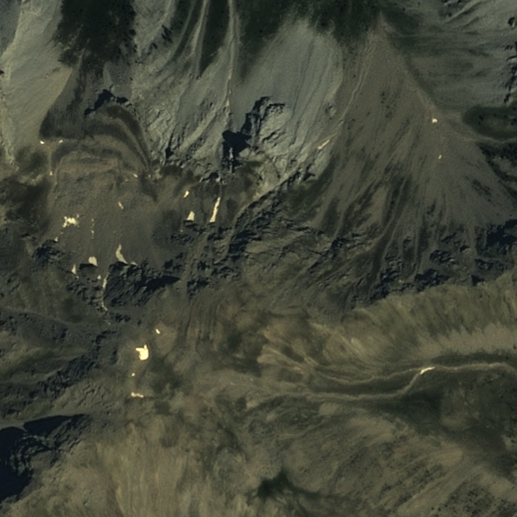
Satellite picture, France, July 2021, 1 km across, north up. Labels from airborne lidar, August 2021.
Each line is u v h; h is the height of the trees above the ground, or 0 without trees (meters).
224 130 0
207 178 0
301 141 0
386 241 0
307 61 0
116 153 0
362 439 0
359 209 0
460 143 0
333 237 0
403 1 0
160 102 0
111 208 0
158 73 0
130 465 0
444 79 0
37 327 0
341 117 0
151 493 0
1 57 0
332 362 0
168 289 0
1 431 0
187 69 0
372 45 0
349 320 0
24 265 0
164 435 0
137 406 0
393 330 0
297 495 0
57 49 0
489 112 0
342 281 0
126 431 0
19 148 0
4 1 0
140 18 0
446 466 0
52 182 0
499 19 0
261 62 0
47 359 0
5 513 0
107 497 0
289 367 0
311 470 0
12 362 0
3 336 0
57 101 0
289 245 0
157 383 0
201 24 0
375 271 0
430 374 0
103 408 0
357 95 0
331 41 0
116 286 0
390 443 0
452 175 0
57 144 0
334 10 0
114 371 0
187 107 0
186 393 0
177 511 0
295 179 0
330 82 0
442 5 0
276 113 0
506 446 0
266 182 0
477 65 0
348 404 0
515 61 0
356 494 0
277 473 0
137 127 0
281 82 0
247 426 0
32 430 0
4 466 0
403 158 0
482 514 0
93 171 0
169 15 0
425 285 0
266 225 0
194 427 0
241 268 0
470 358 0
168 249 0
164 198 0
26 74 0
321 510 0
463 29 0
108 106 0
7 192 0
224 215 0
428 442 0
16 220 0
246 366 0
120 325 0
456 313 0
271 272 0
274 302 0
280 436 0
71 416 0
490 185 0
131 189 0
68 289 0
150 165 0
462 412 0
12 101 0
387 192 0
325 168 0
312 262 0
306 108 0
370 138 0
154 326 0
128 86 0
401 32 0
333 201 0
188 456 0
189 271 0
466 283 0
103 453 0
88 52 0
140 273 0
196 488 0
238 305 0
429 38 0
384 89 0
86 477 0
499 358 0
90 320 0
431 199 0
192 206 0
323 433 0
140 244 0
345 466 0
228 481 0
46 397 0
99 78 0
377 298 0
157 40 0
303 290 0
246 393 0
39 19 0
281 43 0
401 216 0
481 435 0
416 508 0
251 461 0
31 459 0
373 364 0
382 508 0
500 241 0
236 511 0
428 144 0
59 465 0
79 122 0
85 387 0
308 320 0
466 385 0
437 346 0
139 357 0
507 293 0
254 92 0
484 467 0
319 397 0
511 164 0
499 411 0
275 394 0
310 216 0
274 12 0
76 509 0
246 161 0
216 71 0
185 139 0
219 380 0
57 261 0
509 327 0
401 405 0
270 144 0
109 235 0
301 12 0
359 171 0
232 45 0
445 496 0
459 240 0
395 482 0
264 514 0
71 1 0
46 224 0
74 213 0
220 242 0
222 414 0
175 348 0
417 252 0
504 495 0
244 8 0
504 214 0
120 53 7
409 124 0
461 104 0
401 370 0
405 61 0
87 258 0
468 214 0
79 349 0
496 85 0
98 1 0
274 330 0
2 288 0
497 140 0
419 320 0
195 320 0
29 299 0
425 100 0
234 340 0
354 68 0
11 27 0
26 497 0
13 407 0
